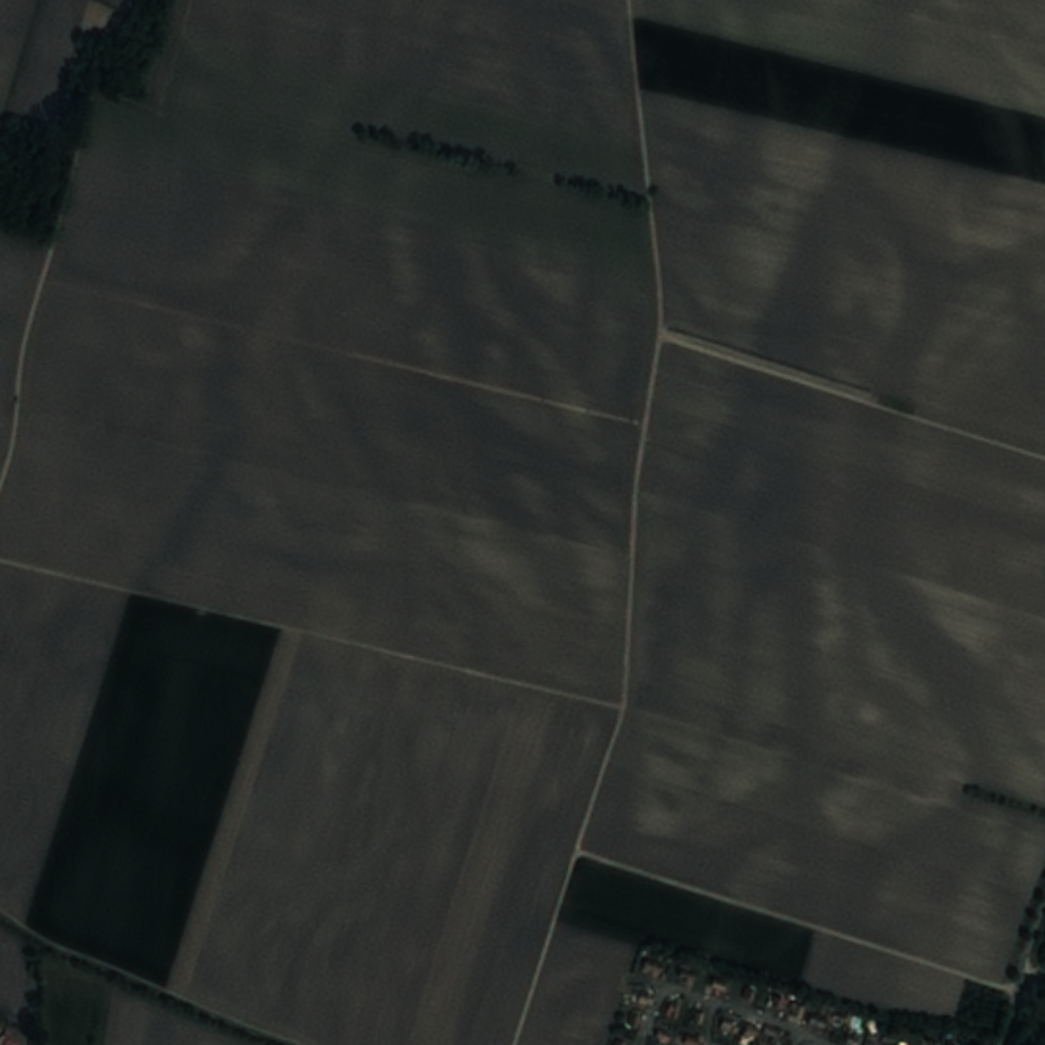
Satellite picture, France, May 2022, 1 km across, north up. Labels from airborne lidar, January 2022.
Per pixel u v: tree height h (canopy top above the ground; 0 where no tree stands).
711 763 0
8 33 0
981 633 0
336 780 0
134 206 0
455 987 0
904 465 0
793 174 0
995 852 0
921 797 0
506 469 0
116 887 0
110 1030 0
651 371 0
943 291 0
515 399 0
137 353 0
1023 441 0
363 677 0
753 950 0
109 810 0
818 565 0
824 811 0
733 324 0
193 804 0
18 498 0
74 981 0
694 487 0
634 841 0
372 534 0
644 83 0
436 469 0
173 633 0
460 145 0
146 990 12
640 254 0
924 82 0
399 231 0
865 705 0
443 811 0
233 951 0
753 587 0
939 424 0
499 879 0
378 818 0
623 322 0
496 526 0
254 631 0
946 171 0
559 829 0
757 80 0
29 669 0
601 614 0
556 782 0
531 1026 0
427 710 0
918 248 0
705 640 0
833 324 0
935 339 0
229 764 0
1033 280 0
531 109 0
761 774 0
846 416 0
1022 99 0
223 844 0
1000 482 0
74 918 0
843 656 0
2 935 0
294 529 0
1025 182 0
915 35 0
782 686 0
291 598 0
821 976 0
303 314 0
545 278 0
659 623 0
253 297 0
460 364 0
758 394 0
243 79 0
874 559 0
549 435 0
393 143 18
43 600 0
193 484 0
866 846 0
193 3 0
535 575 0
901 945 0
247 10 0
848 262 0
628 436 0
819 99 0
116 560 0
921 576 0
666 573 0
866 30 0
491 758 0
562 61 0
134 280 0
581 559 0
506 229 0
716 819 0
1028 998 16
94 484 0
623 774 0
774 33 0
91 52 19
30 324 0
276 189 0
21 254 0
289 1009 0
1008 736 0
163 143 0
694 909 0
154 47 20
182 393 0
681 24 0
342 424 0
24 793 0
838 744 0
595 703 0
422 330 0
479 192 0
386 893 0
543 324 0
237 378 0
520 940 0
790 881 0
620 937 0
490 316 0
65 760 0
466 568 0
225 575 0
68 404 0
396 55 0
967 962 0
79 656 0
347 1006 0
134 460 0
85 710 0
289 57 0
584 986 0
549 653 0
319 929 0
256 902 0
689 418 0
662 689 0
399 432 0
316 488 0
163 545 0
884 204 0
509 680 0
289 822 0
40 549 0
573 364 0
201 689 0
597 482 0
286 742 0
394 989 0
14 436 0
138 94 20
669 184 0
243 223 0
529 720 0
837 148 0
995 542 0
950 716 0
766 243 0
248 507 0
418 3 0
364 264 0
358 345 0
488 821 0
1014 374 0
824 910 0
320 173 0
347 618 0
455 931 0
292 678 0
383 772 0
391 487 0
